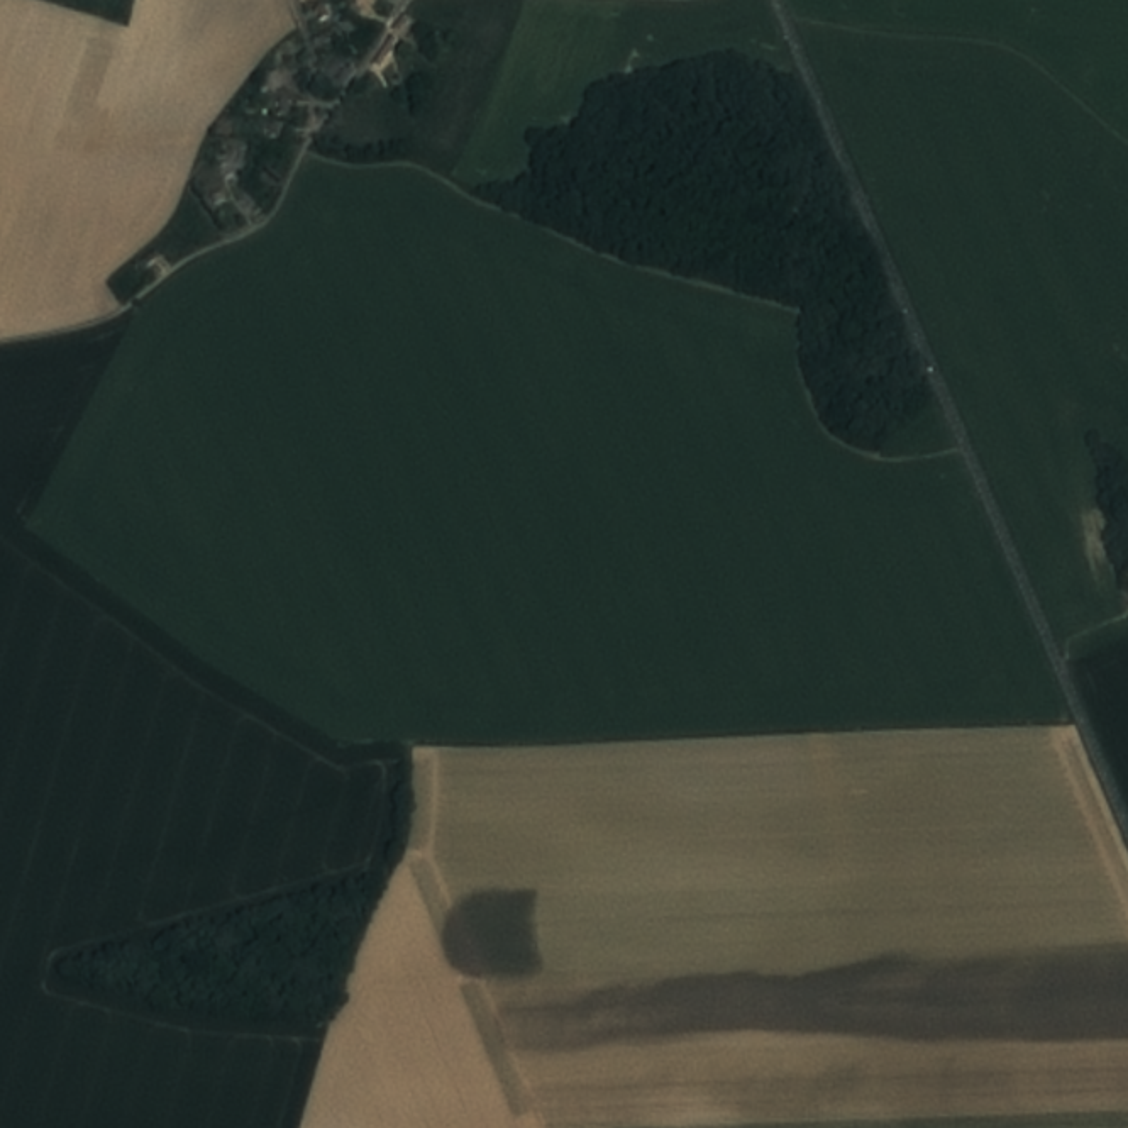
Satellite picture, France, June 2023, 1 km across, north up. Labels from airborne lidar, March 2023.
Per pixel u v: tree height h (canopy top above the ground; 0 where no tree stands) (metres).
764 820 0
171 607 0
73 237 0
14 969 0
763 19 0
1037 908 0
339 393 0
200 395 0
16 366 0
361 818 0
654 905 0
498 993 0
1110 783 0
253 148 7
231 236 0
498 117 0
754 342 0
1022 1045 0
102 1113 0
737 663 0
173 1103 0
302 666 0
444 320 0
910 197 0
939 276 0
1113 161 0
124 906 0
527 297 0
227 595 0
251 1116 0
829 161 18
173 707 0
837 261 20
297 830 0
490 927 0
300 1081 0
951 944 0
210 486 0
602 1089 0
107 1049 0
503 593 0
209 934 18
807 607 0
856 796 0
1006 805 0
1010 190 0
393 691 0
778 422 0
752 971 0
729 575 0
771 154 15
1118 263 0
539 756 0
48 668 0
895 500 0
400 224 0
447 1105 0
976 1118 0
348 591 0
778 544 0
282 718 0
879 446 13
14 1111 0
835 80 0
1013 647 0
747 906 0
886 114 0
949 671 0
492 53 0
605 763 0
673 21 0
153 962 15
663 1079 0
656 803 0
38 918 0
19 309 0
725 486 0
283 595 0
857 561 0
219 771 0
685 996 0
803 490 0
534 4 0
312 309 0
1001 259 0
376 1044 0
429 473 0
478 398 0
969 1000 0
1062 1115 0
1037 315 0
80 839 0
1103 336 0
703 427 0
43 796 0
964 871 0
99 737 0
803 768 0
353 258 0
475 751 0
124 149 0
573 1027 0
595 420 0
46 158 0
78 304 0
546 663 0
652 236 20
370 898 15
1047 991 0
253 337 0
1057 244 0
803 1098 0
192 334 0
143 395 0
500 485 0
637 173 22
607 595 0
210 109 0
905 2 0
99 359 0
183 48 0
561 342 0
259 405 0
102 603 0
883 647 0
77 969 15
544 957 0
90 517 0
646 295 0
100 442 0
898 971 0
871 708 0
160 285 0
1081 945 0
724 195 24
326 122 5
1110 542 13
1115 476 14
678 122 22
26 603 0
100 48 0
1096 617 0
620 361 0
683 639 0
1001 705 0
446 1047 0
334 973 16
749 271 19
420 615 0
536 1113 0
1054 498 0
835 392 19
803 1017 0
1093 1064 0
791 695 0
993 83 0
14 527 0
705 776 0
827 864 0
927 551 0
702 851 0
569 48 0
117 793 0
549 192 21
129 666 0
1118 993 0
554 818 0
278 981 18
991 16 0
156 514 0
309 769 0
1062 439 0
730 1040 0
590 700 0
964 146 0
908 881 0
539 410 0
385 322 0
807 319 17
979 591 0
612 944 0
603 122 21
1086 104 0
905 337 19
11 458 0
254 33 0
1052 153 0
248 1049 0
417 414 0
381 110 0
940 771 0
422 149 0
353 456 0
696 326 0
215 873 0
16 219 0
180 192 0
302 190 0
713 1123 0
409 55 14
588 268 0
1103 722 0
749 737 0
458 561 0
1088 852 0
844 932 0
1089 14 0
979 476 0
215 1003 16
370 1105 0
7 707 0
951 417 0
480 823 0
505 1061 0
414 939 0
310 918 16
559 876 0
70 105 0
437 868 0
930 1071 0
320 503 0
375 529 0
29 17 0
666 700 0
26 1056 0
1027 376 0
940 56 0
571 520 0
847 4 0
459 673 0
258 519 0
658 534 0
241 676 0
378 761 0
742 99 20
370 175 0
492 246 0
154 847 0
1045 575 0
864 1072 0
